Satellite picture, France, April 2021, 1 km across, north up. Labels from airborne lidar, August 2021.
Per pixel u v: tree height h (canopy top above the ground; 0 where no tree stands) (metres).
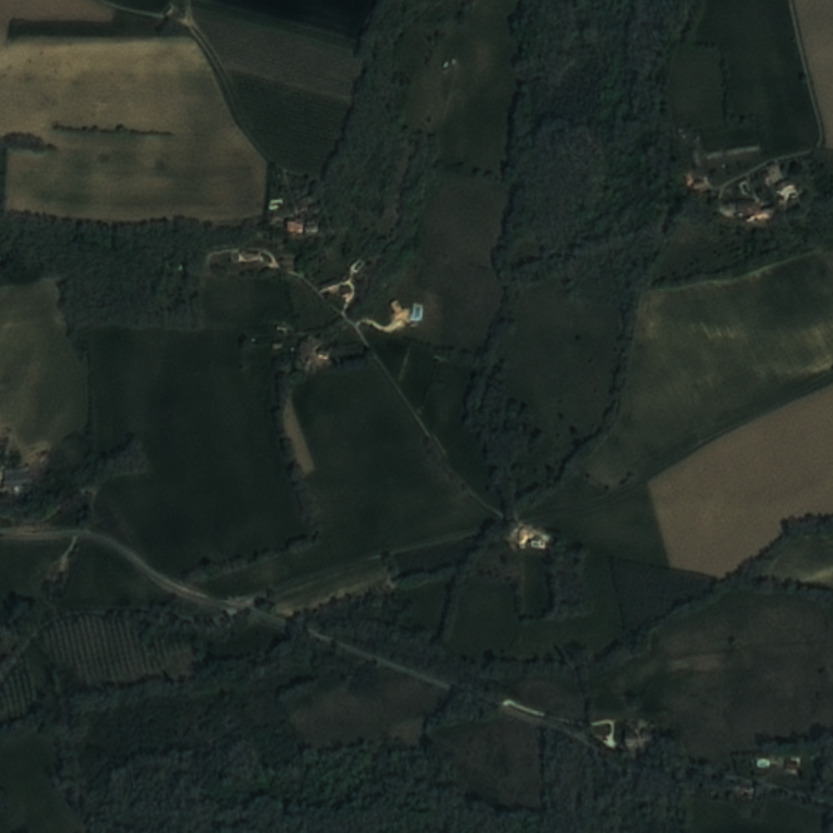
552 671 14
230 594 0
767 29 0
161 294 15
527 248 0
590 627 0
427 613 0
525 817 13
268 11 0
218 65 0
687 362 0
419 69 0
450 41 0
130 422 0
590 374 0
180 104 0
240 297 0
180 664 24
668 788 22
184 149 0
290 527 0
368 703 0
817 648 0
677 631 0
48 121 0
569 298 12
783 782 0
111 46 0
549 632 0
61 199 0
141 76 0
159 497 0
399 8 23
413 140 6
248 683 17
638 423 0
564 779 17
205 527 0
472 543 7
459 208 0
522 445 27
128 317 24
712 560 0
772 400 0
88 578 0
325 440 0
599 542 0
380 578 0
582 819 19
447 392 0
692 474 0
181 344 0
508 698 0
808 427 0
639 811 7
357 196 12
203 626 20
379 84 21
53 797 0
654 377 0
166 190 0
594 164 23
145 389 0
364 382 0
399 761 8
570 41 12
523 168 26
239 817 14
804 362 0
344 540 0
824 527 18
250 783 7
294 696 9
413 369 0
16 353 0
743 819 0
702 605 16
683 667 0
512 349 0
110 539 0
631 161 7
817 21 0
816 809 8
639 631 10
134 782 6
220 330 0
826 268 0
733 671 0
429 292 0
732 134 0
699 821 0
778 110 0
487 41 0
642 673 0
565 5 16
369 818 19
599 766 23
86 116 0
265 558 12
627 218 15
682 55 0
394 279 22
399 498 0
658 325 0
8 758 0
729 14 0
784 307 0
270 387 0
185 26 8
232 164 0
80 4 0
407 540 0
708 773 12
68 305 19
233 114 0
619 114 19
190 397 0
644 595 6
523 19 18
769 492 0
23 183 0
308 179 10
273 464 0
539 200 21
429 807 11
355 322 14
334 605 14
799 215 17
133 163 0
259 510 0
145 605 12
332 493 0
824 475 0
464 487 10
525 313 0
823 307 0
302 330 8
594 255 9
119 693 17
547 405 0
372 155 10
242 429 0
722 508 0
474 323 0
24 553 0
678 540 0
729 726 0
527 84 12
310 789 6
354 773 11
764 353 0
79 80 0
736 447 0
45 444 0
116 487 0
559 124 18
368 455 0
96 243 23
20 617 30
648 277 15
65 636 31
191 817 14
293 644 19
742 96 0
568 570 17
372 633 15
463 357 9
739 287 0
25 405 0
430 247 0
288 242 10
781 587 12
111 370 0
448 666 13
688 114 0
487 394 17
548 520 0
